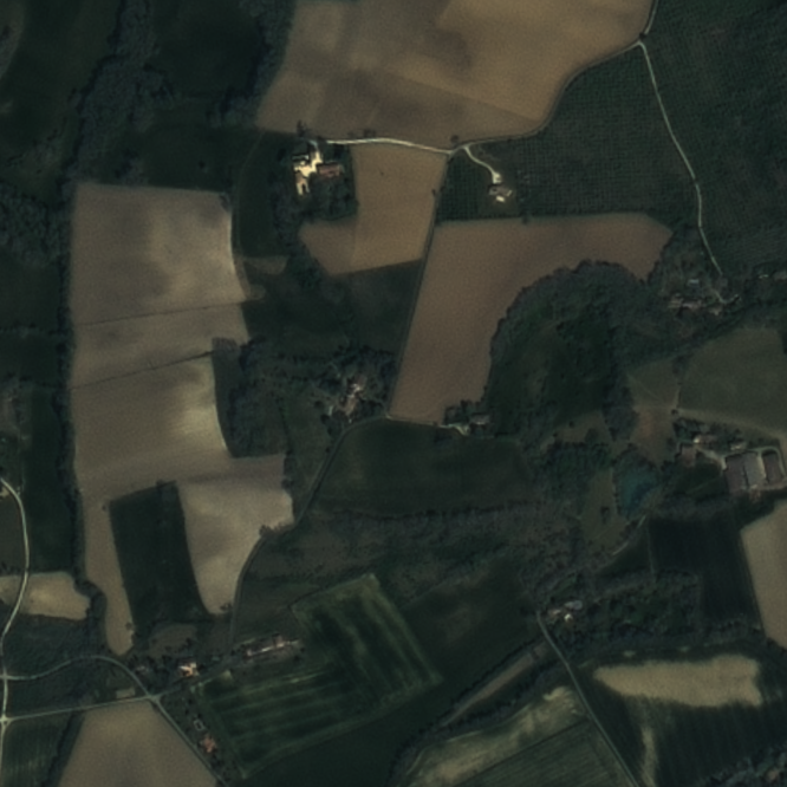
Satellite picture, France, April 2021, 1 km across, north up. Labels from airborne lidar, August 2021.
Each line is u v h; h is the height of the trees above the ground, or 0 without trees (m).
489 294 0
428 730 7
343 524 8
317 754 0
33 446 0
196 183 0
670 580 14
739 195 6
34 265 13
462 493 0
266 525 0
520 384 0
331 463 0
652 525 0
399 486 0
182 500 0
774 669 0
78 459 0
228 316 0
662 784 0
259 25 14
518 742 0
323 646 0
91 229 0
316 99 0
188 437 0
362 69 0
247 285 0
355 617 0
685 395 0
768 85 7
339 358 10
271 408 0
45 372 0
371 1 0
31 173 0
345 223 0
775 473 0
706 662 0
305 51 0
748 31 9
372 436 0
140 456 0
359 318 0
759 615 0
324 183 16
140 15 23
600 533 0
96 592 16
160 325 0
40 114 0
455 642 0
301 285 6
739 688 0
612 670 0
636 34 0
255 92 18
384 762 0
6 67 16
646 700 0
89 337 0
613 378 6
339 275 0
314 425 0
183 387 0
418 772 0
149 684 9
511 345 15
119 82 26
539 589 15
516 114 0
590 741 0
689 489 0
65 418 32
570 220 0
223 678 0
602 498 0
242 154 0
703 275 12
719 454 17
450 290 0
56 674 7
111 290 0
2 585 0
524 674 0
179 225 0
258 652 12
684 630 9
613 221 0
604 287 28
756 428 0
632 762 0
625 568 0
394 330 0
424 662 0
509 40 0
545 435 21
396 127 0
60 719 0
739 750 0
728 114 10
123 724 0
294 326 0
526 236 0
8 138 0
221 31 0
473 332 0
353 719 0
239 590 0
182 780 0
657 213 6
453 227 0
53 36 0
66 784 0
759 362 0
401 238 0
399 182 0
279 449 0
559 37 0
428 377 0
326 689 0
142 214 0
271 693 0
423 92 0
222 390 0
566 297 25
